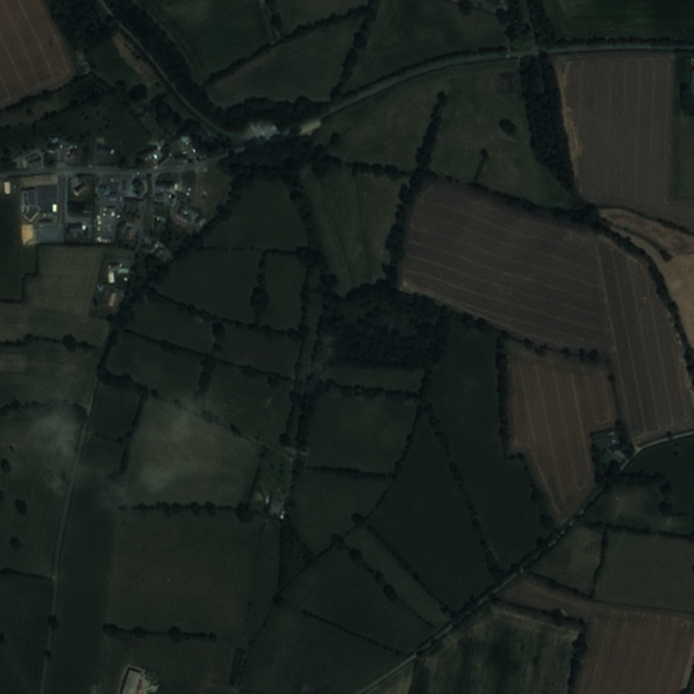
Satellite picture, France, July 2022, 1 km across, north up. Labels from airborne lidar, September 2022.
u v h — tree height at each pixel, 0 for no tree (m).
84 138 7
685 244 0
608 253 0
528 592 0
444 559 0
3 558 0
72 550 0
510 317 0
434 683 0
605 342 0
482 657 0
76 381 0
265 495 0
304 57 0
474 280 0
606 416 0
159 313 0
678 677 0
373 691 0
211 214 0
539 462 0
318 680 0
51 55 0
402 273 0
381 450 0
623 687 0
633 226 0
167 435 0
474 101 0
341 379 0
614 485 9
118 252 0
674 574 0
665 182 0
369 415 0
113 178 0
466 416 0
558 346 0
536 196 0
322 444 0
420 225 0
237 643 0
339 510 0
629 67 0
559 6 0
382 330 11
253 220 0
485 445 0
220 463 0
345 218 0
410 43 0
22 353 0
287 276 0
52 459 0
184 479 0
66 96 0
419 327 9
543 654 0
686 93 15
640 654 0
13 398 0
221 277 0
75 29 9
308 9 0
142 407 9
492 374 0
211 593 0
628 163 0
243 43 0
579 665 12
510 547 0
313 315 0
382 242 0
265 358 0
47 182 0
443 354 8
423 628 0
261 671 0
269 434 0
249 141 0
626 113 0
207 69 0
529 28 19
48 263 0
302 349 7
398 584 0
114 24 14
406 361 11
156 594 0
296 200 22
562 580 0
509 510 0
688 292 0
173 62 10
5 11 0
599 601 0
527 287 0
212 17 0
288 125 15
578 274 0
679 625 0
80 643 0
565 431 0
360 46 20
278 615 0
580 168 0
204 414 12
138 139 0
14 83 0
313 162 16
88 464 0
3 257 0
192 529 0
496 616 0
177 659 0
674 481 0
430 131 12
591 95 0
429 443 0
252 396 0
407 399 14
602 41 10
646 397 0
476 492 0
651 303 0
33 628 0
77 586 0
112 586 0
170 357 0
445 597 0
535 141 16
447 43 0
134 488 0
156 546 0
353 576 0
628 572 0
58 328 0
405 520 0
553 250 0
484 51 11
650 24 0
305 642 0
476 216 0
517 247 0
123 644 0
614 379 10
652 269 9
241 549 0
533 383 0
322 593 0
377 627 0
